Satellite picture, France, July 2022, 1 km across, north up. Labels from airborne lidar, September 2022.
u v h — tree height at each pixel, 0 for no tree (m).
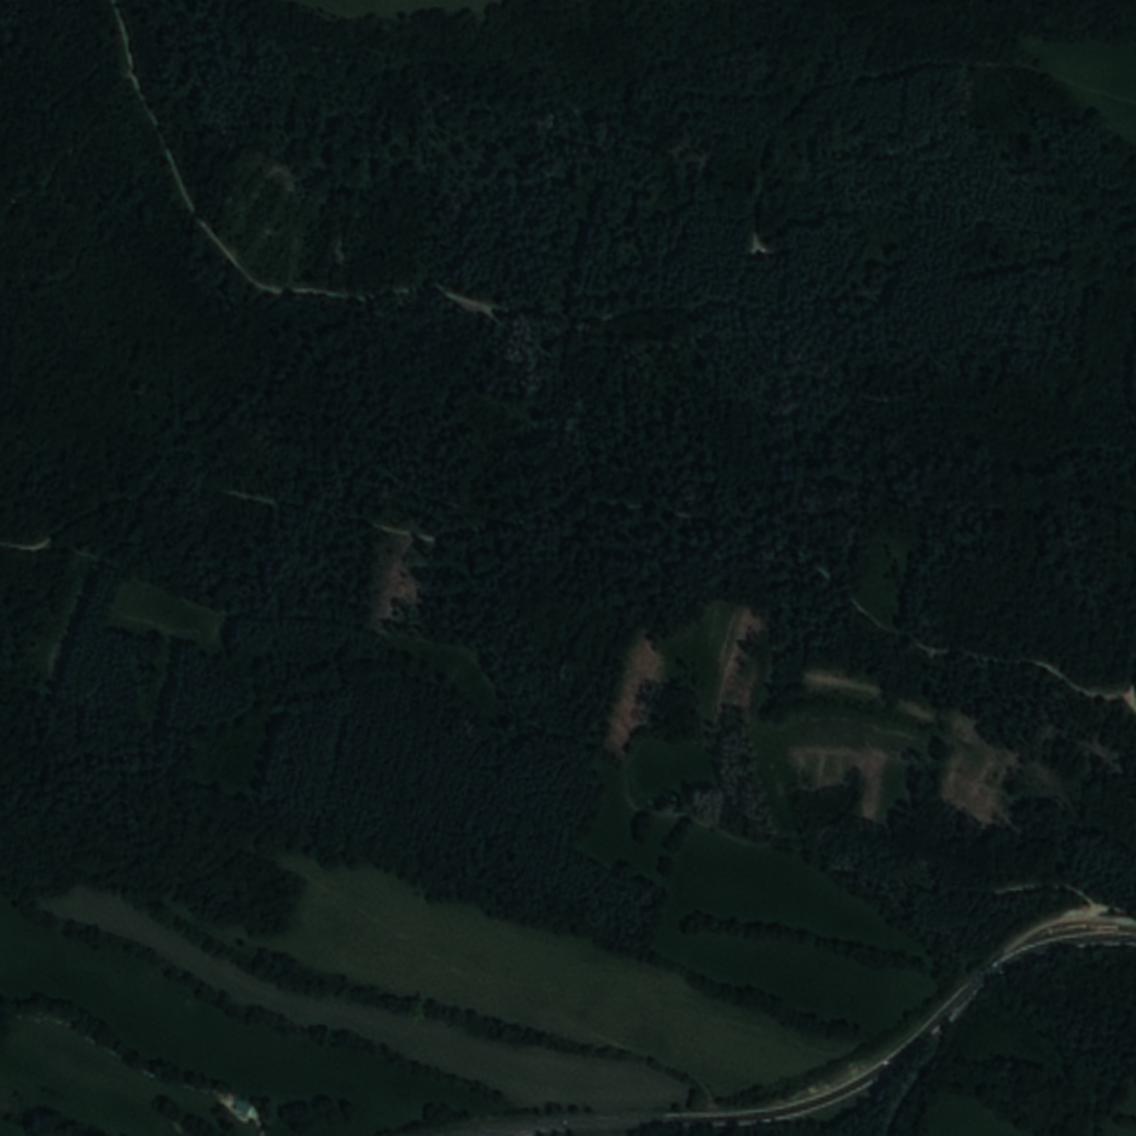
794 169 10
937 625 16
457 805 22
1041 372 34
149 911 16
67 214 16
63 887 16
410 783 20
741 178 12
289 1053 0
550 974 0
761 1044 0
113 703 29
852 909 0
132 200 25
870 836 17
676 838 14
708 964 0
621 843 0
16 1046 0
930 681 7
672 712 23
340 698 26
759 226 17
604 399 13
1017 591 10
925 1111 19
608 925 13
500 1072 0
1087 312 18
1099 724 9
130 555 20
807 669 22
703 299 28
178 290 12
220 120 30
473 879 20
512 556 35
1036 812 26
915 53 20
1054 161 25
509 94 13
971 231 22
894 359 38
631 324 13
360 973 0
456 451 30
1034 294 32
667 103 21
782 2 17
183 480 26
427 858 19
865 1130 28
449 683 21
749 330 33
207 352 10
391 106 9
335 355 13
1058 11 21
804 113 20
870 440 17
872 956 16
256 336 13
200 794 22
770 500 16
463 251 18
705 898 0
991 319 23
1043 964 24
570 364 14
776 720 23
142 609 0
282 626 25
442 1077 14
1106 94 0
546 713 25
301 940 0
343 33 13
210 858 8
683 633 22
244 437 29
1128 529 10
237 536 12
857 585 20
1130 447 8
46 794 20
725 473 20
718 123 20
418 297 8
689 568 38
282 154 25
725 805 17
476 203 25
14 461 17
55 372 15
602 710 20
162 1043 0
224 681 24
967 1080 12
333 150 21
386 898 0
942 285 22
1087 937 0
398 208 25
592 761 25
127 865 14
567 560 21
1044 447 11
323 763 24
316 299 14
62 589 15
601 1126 0
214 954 14
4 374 16
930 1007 12
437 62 18
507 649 19
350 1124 16
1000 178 25
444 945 0
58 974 0
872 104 23
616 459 14
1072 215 22
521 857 25
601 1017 0
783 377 26
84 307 11
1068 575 17
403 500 29
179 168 9
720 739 10
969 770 0
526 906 21
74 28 14
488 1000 0
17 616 18
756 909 0
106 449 12
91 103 13
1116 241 24
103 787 24
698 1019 0
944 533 18
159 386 10
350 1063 0
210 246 14
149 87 12
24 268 13
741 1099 10
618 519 30
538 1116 14
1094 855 29
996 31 22
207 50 22
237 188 5
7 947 0
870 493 29
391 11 0
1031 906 16
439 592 16
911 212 21
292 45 25
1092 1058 16
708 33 18
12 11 19
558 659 14
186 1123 15
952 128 28
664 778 0
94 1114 0
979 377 10
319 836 20
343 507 16
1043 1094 16
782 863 0
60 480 17
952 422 16
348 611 22
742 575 33
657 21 14
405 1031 0
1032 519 12
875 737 0
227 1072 0
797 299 33
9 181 11
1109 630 10
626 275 29
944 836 21
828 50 22
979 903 20
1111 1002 9
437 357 25
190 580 20
